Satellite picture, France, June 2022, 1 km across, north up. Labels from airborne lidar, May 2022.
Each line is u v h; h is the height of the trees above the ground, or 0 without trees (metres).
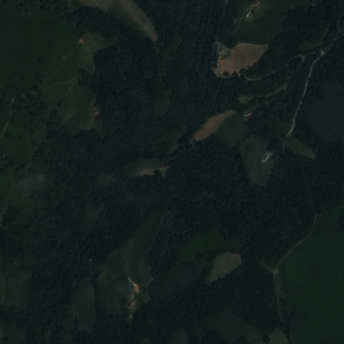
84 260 16
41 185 9
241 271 14
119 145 25
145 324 21
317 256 0
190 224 14
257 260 10
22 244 9
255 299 20
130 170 0
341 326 0
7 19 0
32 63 0
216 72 0
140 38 19
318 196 17
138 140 24
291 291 0
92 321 0
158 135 24
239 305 21
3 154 13
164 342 32
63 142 20
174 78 14
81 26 21
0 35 0
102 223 22
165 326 25
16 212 8
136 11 0
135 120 16
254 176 0
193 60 23
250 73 21
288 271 0
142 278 0
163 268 6
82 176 23
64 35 0
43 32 0
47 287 18
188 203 26
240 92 29
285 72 21
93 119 0
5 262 0
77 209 24
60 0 11
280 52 17
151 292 14
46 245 11
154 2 24
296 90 16
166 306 6
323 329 0
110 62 28
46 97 0
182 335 0
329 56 15
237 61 0
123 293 0
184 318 17
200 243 0
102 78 25
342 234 0
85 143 23
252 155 0
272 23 0
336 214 0
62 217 12
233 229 28
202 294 19
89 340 18
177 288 6
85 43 0
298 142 0
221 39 11
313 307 0
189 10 16
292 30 26
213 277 0
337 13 28
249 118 0
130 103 26
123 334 15
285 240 22
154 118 9
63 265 8
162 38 17
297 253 0
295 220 18
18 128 0
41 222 16
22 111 14
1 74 0
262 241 23
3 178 0
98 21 22
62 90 0
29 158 0
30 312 17
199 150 7
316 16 18
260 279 16
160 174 17
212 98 19
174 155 18
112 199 15
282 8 0
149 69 12
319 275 0
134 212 30
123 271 0
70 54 0
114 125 24
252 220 25
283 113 25
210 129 0
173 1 19
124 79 24
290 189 17
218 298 25
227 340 10
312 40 20
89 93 0
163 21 17
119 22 10
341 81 9
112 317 17
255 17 0
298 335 0
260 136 10
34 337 23
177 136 0
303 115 12
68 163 29
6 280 7
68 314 8
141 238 0
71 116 0
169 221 20
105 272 0
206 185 18
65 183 16
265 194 25
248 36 0
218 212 15
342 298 0
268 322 21
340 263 0
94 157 21
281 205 22
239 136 0
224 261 0
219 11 5
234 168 28
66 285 26
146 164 0
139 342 15
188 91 24
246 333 0
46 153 8
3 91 0
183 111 23
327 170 26
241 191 26
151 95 14
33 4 6
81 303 0
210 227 14
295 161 14
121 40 18
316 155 6
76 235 35
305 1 0
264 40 0
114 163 18
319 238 0
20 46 0
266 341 20
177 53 8
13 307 7
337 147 15
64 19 9
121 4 0
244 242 11
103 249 24
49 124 17
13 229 15
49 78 0
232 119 0
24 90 0
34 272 14
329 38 15
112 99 28
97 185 25
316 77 11
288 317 11
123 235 27
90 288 0
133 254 0
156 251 22
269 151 14
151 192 27
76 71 0
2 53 0
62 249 33
